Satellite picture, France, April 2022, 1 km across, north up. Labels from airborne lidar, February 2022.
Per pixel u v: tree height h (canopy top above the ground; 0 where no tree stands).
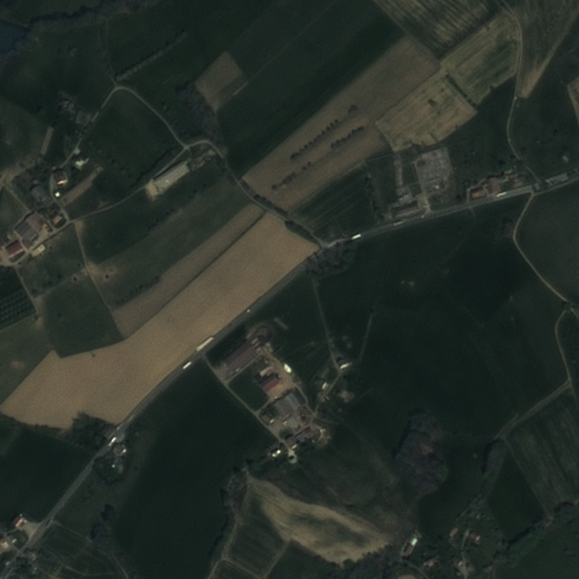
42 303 0
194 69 0
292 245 0
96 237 0
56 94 0
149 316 0
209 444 0
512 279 0
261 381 0
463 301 0
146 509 0
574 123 0
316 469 0
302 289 0
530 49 0
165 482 0
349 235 0
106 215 0
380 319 0
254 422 0
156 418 0
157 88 0
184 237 0
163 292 0
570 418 0
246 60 0
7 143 0
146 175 7
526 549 18
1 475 0
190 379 0
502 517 0
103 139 0
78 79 0
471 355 0
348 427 0
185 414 0
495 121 0
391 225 0
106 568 0
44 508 0
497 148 0
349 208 0
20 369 0
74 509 0
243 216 0
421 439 29
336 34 0
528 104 0
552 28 0
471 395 0
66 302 0
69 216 0
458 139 0
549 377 0
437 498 0
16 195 0
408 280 0
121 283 0
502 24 0
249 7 0
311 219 0
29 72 0
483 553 0
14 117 0
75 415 0
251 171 0
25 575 8
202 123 24
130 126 0
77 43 0
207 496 0
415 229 0
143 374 0
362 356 0
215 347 0
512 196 0
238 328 0
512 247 0
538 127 0
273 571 0
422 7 0
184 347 0
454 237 0
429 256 0
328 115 0
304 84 0
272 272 0
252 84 0
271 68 0
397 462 24
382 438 0
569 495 0
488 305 0
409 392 0
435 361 0
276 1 0
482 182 0
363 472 0
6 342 0
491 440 0
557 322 0
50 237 0
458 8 0
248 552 0
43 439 0
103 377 0
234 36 0
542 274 0
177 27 0
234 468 0
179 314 0
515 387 0
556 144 0
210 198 0
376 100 0
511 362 0
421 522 0
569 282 0
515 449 0
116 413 0
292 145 0
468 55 0
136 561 0
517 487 0
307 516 0
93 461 0
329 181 0
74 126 0
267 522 0
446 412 0
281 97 0
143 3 30
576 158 0
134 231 0
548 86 0
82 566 0
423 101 0
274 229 0
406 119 0
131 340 0
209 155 0
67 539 0
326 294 0
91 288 0
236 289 0
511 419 0
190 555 0
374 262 0
